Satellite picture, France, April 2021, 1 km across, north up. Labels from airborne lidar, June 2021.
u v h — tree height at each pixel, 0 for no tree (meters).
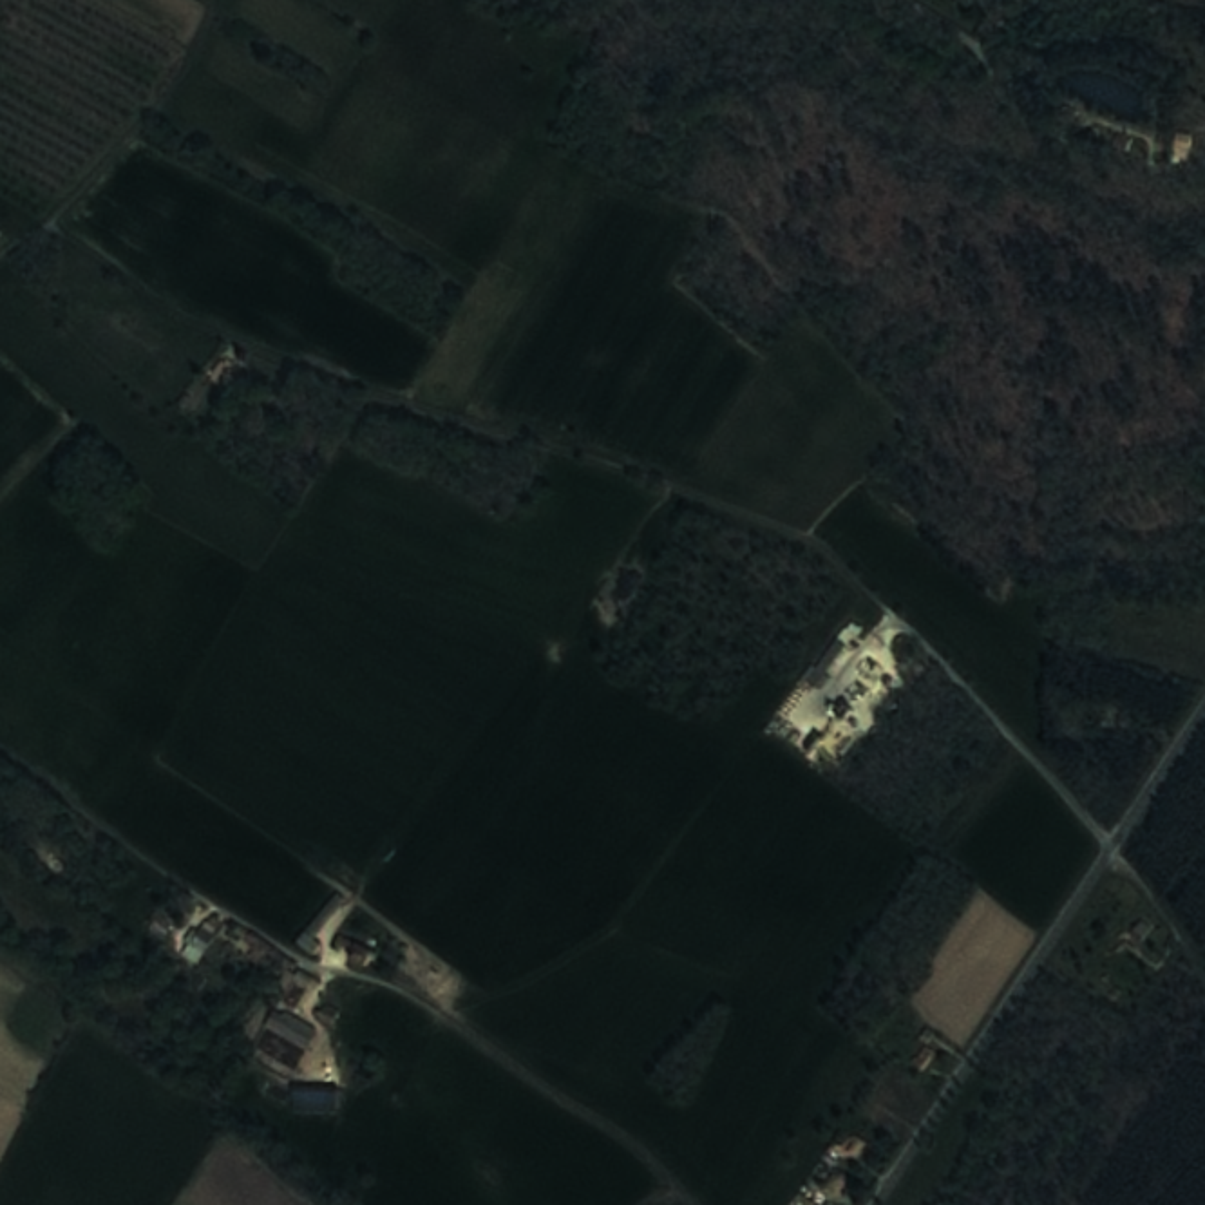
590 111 13
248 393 24
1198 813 12
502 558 0
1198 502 11
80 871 11
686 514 15
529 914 0
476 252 0
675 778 0
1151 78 15
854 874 0
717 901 0
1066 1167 9
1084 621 22
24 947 20
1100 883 0
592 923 0
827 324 19
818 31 16
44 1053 0
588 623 0
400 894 0
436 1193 0
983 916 0
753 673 12
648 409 0
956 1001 0
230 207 0
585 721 0
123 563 0
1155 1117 15
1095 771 13
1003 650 0
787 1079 0
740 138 12
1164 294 20
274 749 0
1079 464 10
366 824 0
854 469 0
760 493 0
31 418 0
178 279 0
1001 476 12
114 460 24
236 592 0
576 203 0
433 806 0
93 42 10
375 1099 0
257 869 0
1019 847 0
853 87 16
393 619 0
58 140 11
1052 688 15
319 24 0
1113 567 8
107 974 17
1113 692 15
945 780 14
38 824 18
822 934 0
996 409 16
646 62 11
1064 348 12
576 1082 0
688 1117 0
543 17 19
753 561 10
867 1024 13
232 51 0
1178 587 20
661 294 0
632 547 0
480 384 0
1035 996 13
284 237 0
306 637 0
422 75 0
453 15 0
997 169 19
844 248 15
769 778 0
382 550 0
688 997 0
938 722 11
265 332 0
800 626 13
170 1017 21
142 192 0
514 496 19
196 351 0
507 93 0
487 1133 0
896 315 13
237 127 0
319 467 13
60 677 0
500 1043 0
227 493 0
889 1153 8
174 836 0
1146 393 12
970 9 8
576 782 0
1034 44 9
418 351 0
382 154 0
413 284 18
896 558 0
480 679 0
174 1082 16
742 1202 0
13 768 19
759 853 0
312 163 0
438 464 14
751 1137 0
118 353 0
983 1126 17
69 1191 0
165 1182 0
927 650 10
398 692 0
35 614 0
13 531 0
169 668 0
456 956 0
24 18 11
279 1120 0
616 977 0
